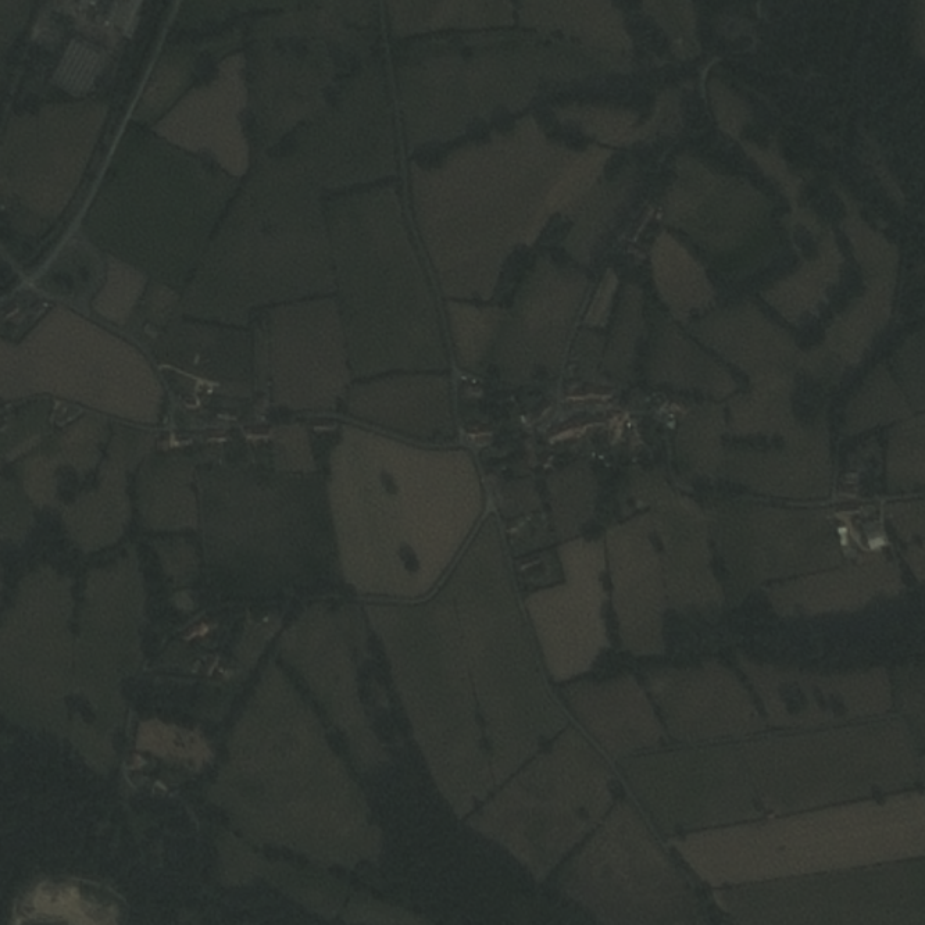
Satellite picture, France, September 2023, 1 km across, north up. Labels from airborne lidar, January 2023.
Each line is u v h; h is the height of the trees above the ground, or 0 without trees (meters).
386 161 0
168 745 0
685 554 0
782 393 0
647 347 15
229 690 0
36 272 0
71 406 0
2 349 0
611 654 7
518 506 0
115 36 0
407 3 0
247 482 0
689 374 0
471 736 0
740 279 0
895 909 0
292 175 0
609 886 0
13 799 11
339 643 0
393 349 0
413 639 0
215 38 17
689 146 13
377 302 0
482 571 0
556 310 0
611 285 0
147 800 21
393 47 9
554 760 0
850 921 0
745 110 0
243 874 0
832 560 0
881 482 6
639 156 8
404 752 9
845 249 15
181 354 0
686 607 0
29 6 0
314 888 0
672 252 0
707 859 0
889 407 0
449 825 21
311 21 0
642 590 0
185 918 0
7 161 0
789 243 9
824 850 0
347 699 0
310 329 0
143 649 9
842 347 0
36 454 0
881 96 9
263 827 0
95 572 0
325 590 13
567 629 0
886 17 24
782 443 11
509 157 0
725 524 0
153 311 0
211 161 17
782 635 30
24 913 0
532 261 16
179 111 0
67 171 0
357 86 0
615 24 0
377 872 8
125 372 0
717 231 0
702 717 0
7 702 0
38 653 0
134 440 0
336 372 0
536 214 0
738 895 0
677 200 0
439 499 0
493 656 0
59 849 9
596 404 0
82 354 0
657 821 0
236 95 0
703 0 17
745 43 12
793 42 18
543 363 0
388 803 22
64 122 0
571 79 0
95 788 15
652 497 0
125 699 13
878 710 0
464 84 0
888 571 0
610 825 0
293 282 0
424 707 0
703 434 0
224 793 0
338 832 0
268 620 0
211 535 0
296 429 0
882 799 11
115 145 0
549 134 14
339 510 0
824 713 0
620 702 0
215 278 0
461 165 0
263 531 0
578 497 0
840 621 0
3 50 0
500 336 0
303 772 0
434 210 0
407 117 0
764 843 0
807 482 0
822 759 0
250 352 0
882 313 0
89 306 0
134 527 13
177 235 0
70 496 15
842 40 8
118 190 0
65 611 0
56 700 0
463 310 0
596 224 0
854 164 19
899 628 32
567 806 0
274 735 0
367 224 0
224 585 0
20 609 0
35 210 0
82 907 0
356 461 0
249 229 0
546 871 0
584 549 0
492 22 0
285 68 0
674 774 0
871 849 0
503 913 18
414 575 0
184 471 0
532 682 0
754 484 0
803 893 0
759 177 22
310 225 0
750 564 0
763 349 0
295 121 0
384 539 0
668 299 0
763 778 0
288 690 0
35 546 16
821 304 0
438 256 0
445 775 0
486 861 22
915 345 0
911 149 8
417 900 17
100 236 0
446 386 0
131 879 19
